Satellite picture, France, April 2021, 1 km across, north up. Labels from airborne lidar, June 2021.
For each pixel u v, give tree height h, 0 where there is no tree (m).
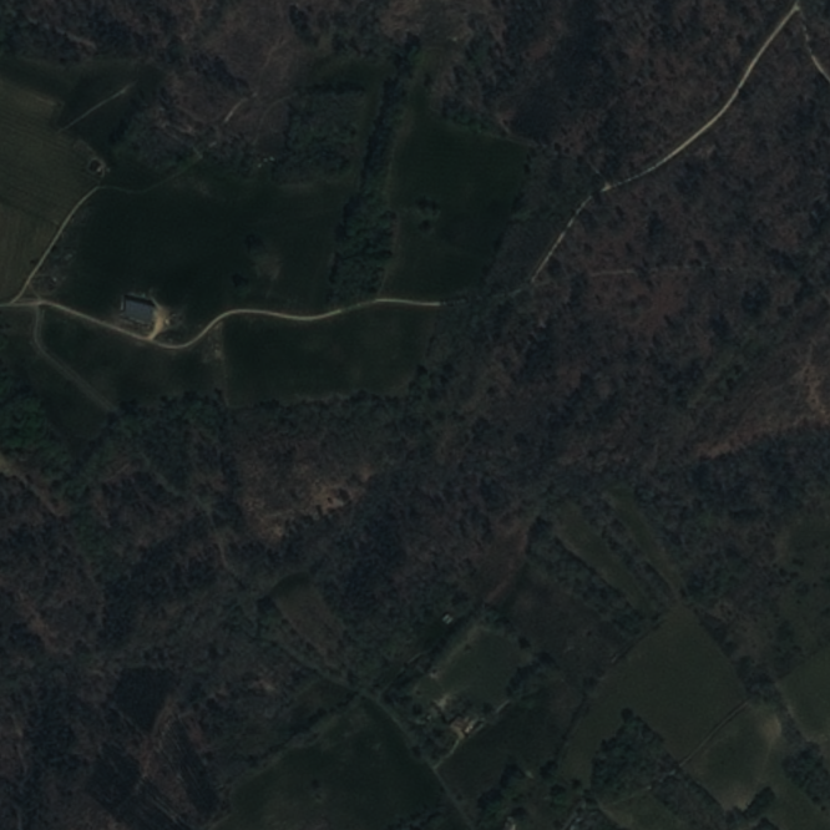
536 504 21
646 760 18
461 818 0
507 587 0
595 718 0
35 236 0
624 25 17
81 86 0
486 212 0
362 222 22
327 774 0
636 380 17
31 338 0
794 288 9
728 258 12
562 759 0
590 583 11
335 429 14
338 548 23
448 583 13
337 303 14
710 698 0
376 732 0
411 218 0
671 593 15
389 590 12
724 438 10
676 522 18
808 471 18
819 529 0
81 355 0
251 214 0
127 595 24
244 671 10
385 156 22
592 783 10
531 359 13
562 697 0
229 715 11
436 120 0
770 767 0
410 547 10
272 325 0
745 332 13
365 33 14
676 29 19
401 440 14
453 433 10
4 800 7
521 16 21
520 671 0
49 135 0
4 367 12
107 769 9
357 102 17
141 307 0
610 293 16
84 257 0
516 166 0
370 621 23
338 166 13
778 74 14
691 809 9
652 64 8
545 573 18
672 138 8
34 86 0
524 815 13
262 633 18
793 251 11
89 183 0
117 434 24
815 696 0
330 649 0
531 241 16
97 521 16
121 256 0
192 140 14
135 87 0
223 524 23
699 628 0
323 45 17
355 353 0
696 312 19
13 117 0
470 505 17
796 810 0
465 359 12
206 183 0
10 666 17
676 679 0
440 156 0
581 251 13
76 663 17
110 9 12
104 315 0
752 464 19
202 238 0
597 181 13
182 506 14
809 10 18
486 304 15
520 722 0
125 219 0
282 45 0
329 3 0
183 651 8
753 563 8
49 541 18
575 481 18
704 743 0
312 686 14
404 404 15
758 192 9
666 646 0
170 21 18
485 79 17
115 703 16
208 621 19
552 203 18
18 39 11
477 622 18
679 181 13
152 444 23
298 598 0
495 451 7
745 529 10
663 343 10
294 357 0
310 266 0
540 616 0
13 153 0
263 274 0
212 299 0
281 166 10
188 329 0
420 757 16
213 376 0
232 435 25
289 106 0
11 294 0
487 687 0
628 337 8
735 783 0
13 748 9
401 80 11
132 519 11
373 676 14
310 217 0
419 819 10
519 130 7
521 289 14
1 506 19
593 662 0
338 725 0
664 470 19
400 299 0
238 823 0
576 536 0
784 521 11
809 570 0
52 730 18
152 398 0
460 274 0
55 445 19
